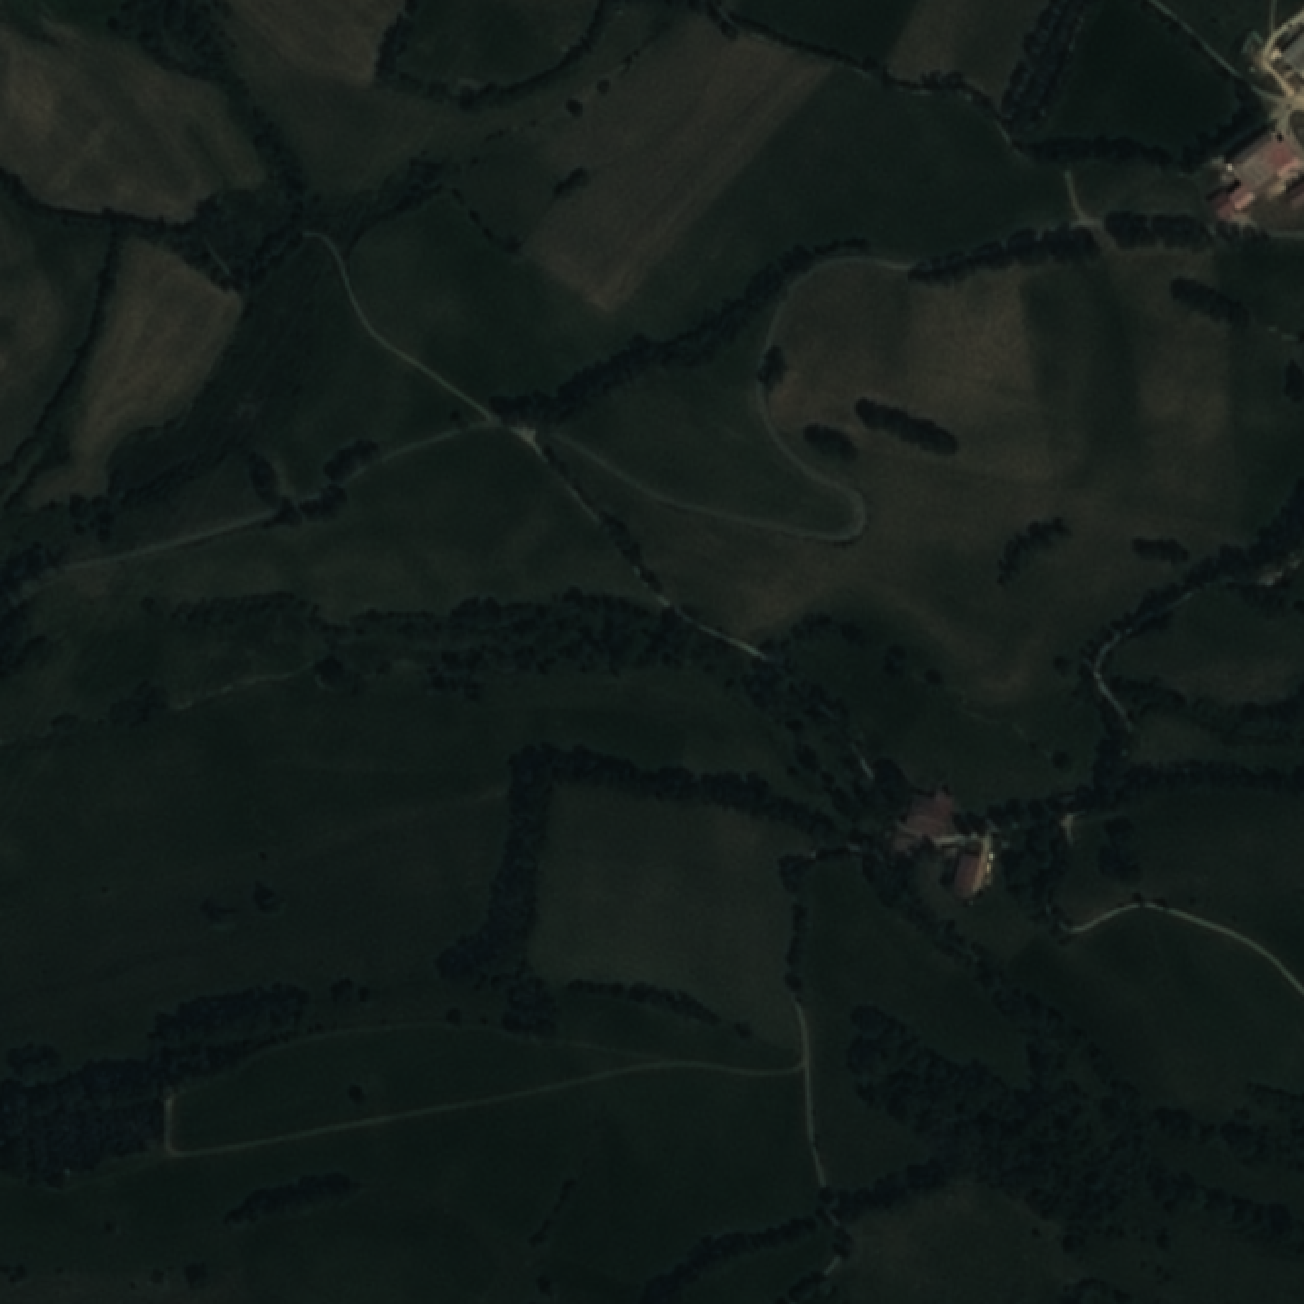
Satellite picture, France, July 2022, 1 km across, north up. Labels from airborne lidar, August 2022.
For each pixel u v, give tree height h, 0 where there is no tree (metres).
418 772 0
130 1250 0
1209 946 0
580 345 0
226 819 0
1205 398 0
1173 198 0
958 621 0
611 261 0
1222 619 0
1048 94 26
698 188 0
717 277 0
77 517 12
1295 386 15
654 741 0
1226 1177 0
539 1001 26
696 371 10
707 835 0
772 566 0
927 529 0
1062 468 0
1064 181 0
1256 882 0
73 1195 0
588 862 0
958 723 0
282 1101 0
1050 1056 22
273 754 0
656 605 0
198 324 0
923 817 0
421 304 0
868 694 0
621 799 0
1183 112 0
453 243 0
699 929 0
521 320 0
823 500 0
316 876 0
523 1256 0
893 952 0
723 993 0
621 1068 0
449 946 0
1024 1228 0
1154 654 0
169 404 0
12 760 0
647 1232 0
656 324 0
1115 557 0
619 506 0
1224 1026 0
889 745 0
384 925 0
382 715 0
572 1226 0
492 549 0
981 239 0
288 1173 0
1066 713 0
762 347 0
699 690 0
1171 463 0
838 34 0
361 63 0
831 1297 7
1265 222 0
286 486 0
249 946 0
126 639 0
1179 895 0
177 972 0
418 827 0
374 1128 0
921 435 22
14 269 0
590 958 0
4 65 0
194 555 0
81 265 0
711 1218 0
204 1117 0
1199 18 0
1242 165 0
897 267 0
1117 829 15
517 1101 0
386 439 0
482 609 22
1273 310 0
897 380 0
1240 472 0
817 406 0
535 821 23
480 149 0
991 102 17
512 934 28
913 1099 23
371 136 0
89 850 0
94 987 0
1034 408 0
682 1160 0
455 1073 0
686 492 0
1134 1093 16
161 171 0
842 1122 0
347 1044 0
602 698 0
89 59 0
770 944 0
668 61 0
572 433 0
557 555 0
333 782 0
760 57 0
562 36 0
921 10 0
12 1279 6
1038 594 0
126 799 0
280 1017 26
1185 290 20
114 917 0
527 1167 0
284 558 0
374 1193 0
